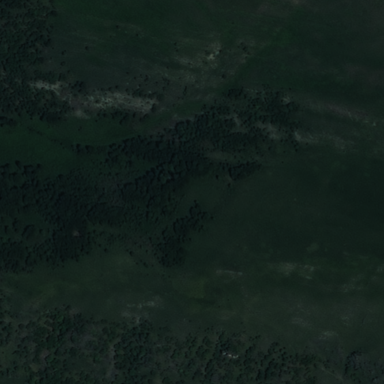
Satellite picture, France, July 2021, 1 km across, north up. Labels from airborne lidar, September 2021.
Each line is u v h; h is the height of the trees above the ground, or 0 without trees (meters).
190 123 16
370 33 0
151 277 0
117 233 0
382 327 0
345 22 0
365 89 0
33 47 20
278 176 0
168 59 0
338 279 0
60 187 9
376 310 0
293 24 0
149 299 0
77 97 10
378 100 0
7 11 11
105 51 0
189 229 15
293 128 8
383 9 0
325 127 0
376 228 0
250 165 13
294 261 0
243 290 0
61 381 13
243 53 0
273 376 17
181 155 20
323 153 0
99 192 8
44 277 0
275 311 0
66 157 0
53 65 0
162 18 0
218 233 0
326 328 0
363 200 0
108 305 0
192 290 0
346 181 0
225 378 12
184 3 0
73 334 8
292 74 0
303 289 0
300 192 0
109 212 17
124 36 0
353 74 0
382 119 0
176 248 14
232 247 0
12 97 13
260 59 0
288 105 6
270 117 8
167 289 0
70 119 0
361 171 0
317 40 0
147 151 14
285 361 16
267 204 0
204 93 0
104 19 0
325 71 0
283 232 0
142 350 19
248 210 0
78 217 23
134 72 0
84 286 0
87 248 11
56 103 14
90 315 0
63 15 0
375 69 0
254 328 0
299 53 0
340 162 0
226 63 0
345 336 0
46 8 13
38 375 21
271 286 0
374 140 0
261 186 0
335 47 0
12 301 0
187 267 0
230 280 0
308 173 0
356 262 0
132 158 7
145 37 0
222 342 12
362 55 0
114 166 9
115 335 12
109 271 0
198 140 12
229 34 0
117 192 8
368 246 0
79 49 0
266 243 0
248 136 12
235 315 0
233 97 11
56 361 17
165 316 0
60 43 0
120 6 0
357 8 0
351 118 0
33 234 17
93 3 0
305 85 0
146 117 14
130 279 0
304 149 0
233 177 16
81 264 0
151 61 0
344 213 0
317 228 0
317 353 0
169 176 28
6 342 16
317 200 0
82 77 0
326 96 0
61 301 0
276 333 0
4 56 17
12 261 10
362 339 0
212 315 0
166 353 11
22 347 12
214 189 0
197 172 18
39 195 14
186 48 0
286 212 0
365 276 0
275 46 0
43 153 0
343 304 0
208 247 0
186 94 9
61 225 17
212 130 17
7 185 21
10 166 16
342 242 0
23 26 11
